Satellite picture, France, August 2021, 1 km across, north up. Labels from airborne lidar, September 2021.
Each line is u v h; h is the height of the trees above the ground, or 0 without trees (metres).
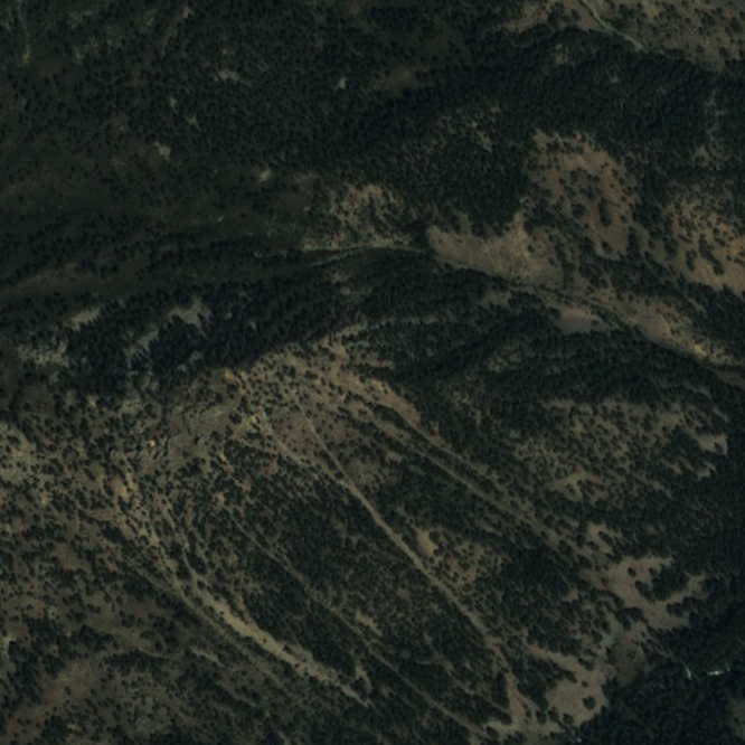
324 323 13
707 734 23
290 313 12
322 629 11
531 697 15
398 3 0
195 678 14
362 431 10
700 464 13
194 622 18
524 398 13
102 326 12
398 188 10
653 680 17
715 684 8
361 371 8
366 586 10
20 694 19
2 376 6
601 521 15
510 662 7
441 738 18
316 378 7
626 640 0
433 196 13
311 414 7
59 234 9
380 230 10
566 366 7
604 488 8
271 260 8
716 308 20
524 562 23
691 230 8
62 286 0
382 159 14
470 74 24
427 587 9
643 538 10
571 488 9
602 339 18
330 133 22
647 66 15
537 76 16
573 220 8
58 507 11
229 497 11
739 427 26
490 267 0
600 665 0
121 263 12
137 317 14
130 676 8
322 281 9
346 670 18
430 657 17
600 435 11
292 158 16
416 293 12
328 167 16
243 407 8
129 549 10
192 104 15
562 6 9
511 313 10
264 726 6
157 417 7
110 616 0
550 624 16
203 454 0
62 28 6
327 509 13
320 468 13
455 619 9
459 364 16
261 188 0
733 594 10
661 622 0
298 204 0
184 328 19
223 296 11
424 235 20
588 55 10
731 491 23
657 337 0
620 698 17
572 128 10
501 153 23
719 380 21
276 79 10
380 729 13
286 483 10
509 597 15
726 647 21
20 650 13
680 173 13
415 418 0
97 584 12
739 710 0
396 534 6
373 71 14
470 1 21
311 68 16
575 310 0
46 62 0
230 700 13
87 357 11
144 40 12
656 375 11
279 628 17
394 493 9
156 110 15
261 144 15
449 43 0
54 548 15
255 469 8
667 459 19
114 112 11
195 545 12
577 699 0
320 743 12
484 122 16
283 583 11
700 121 13
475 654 14
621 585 0
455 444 12
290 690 6
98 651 8
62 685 0
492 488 7
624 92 7
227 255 12
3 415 13
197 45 12
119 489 0
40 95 13
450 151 13
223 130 13
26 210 0
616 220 0
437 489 6
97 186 0
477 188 20
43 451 7
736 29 17
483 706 15
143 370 10
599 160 0
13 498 9
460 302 16
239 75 10
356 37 26
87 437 7
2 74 0
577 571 14
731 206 11
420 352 9
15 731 0
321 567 16
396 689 22
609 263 16
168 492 10
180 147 16
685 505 15
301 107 14
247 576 7
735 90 15
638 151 7
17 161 0
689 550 16
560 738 13
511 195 14
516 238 0
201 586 15
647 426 10
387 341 8
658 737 14
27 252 0
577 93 11
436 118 14
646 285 18
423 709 11
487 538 13
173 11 9
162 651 16
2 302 0
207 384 8
